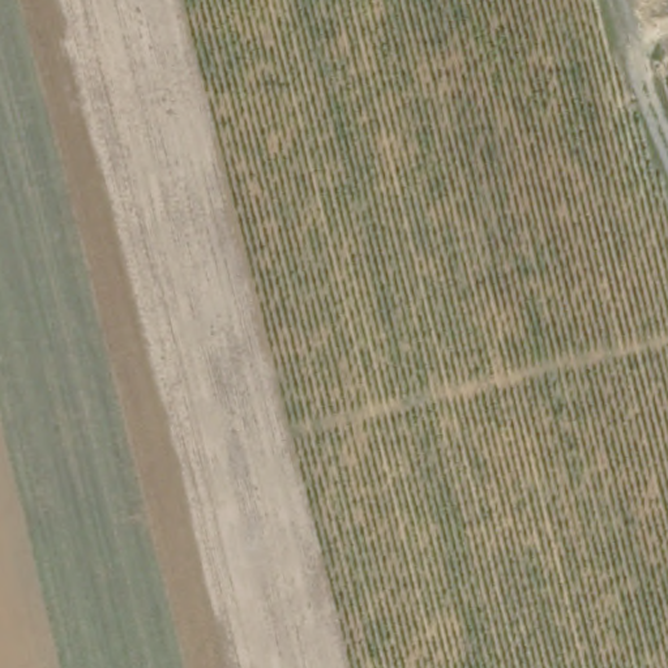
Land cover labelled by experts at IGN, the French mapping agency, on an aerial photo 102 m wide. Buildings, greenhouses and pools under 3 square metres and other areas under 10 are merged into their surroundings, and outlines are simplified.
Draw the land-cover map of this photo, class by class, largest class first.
<instances>
[{"label":"vineyard","instance_id":"1","mask_svg":"<svg viewBox=\"0 0 668 668\"><path fill-rule=\"evenodd\" d=\"M185 31L196 52V65L206 94L209 117L214 125L217 159L222 164L227 196L237 217L245 269L258 305L256 321L264 329L261 342L266 344V357L274 368V386L284 415L287 441L292 446V464L297 467L305 491L308 514L321 548L324 577L339 621V637L344 647L342 668H668V172L663 170L650 125L642 117L637 91L629 78L626 47L618 42L608 0H180Z\"/></svg>","mask_w":668,"mask_h":668},{"label":"plowed land","instance_id":"2","mask_svg":"<svg viewBox=\"0 0 668 668\"><path fill-rule=\"evenodd\" d=\"M26 31L42 78V91L50 104L55 138L63 157L70 206L78 214L84 264L91 274V300L97 303L99 324L104 331V357L110 368V381L120 410L128 451L133 459L141 506L146 514L144 527L151 538V548L162 569L164 595L180 645V663L185 668H342L344 647L339 637V621L324 577L321 548L308 514L305 491L297 467L292 464V446L287 441L284 415L274 386V368L266 357V344L261 342L264 329L256 321L258 305L245 269L237 217L227 196L222 164L217 159L214 125L209 117L206 94L196 65V52L185 31L180 0H21ZM57 663V650L39 590L23 509L18 501L16 483L8 475L0 478V668H52Z\"/></svg>","mask_w":668,"mask_h":668},{"label":"agricultural land","instance_id":"3","mask_svg":"<svg viewBox=\"0 0 668 668\"><path fill-rule=\"evenodd\" d=\"M8 475L16 483L18 501L23 509L39 590L57 650V663L52 668H185L180 663V645L164 595L162 569L151 548V538L144 527L146 514L141 506L133 459L128 451L120 410L110 381V368L104 357V331L99 324L97 303L91 300V274L84 264L78 214L70 206L63 157L55 138L50 104L42 91V78L26 31L21 0H0V478Z\"/></svg>","mask_w":668,"mask_h":668},{"label":"pervious surface","instance_id":"4","mask_svg":"<svg viewBox=\"0 0 668 668\"><path fill-rule=\"evenodd\" d=\"M637 0H608L618 42L626 47L629 78L637 91L642 117L650 125L663 170L668 172V76L652 81L650 55L658 39L668 37V18H658L652 26L639 31L634 18Z\"/></svg>","mask_w":668,"mask_h":668},{"label":"herbaceous vegetation","instance_id":"5","mask_svg":"<svg viewBox=\"0 0 668 668\"><path fill-rule=\"evenodd\" d=\"M634 18L639 31L652 26L658 18H668V0H637ZM652 81L668 76V37L658 39L650 55Z\"/></svg>","mask_w":668,"mask_h":668}]
</instances>
